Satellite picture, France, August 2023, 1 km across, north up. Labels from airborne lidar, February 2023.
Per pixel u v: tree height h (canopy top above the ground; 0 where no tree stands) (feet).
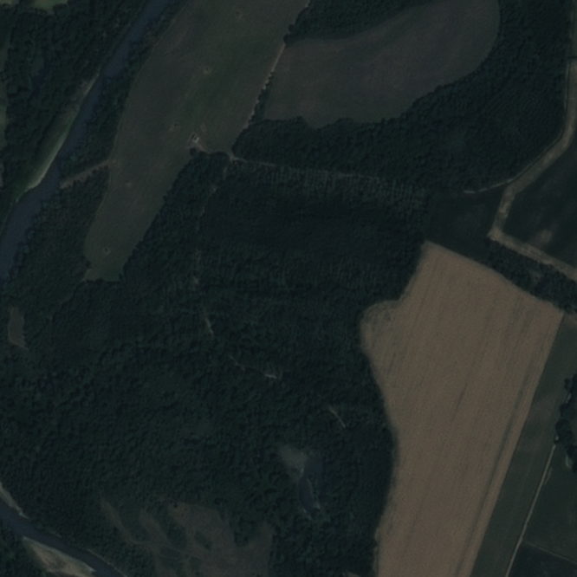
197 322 65
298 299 85
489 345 0
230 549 0
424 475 0
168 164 0
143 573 18
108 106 43
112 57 0
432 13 0
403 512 0
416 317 0
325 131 25
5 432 73
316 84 0
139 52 41
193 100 0
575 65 0
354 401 24
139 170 0
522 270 73
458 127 70
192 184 47
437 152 49
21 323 0
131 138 0
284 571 48
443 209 0
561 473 0
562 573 0
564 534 0
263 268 58
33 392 50
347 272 35
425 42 0
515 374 0
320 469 0
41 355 47
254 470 107
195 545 0
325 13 32
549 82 62
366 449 73
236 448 25
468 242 0
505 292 0
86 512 49
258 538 0
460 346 0
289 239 60
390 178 59
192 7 0
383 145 68
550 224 0
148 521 0
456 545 0
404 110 0
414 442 0
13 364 65
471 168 66
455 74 0
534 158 85
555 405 0
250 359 60
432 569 0
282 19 0
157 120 0
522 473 0
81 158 37
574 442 79
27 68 28
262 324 24
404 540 0
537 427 0
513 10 58
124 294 49
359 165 56
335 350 98
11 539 90
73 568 0
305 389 105
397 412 0
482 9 0
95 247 0
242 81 0
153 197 0
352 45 0
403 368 0
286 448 54
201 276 82
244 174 21
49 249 43
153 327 50
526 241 0
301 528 66
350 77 0
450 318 0
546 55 67
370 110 0
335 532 82
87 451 49
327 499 34
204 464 38
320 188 69
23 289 40
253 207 40
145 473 57
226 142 0
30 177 0
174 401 62
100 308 65
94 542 47
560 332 0
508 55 57
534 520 0
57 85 86
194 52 0
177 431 41
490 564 0
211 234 52
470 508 0
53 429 57
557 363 0
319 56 0
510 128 77
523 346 0
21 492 52
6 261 0
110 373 21
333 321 30
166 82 0
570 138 0
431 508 0
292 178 89
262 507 87
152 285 42
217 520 0
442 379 0
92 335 60
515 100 82
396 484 0
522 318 0
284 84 0
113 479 30
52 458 55
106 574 0
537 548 0
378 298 60
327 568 90
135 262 50
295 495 44
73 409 32
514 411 0
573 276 0
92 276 0
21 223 0
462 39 0
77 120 0
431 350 0
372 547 62
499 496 0
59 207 51
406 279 83
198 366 96
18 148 66
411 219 38
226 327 77
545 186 0
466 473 0
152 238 36
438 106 50
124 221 0
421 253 56
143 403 51
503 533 0
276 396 47
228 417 76
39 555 0
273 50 0
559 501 0
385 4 41
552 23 27
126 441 20
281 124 36
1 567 72
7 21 69
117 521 0
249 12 0
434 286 0
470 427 0
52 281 47
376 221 22
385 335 0
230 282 89
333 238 53
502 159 61
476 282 0
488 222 0
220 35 0
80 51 30
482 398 0
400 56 0
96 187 41
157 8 0
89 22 47
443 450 0
